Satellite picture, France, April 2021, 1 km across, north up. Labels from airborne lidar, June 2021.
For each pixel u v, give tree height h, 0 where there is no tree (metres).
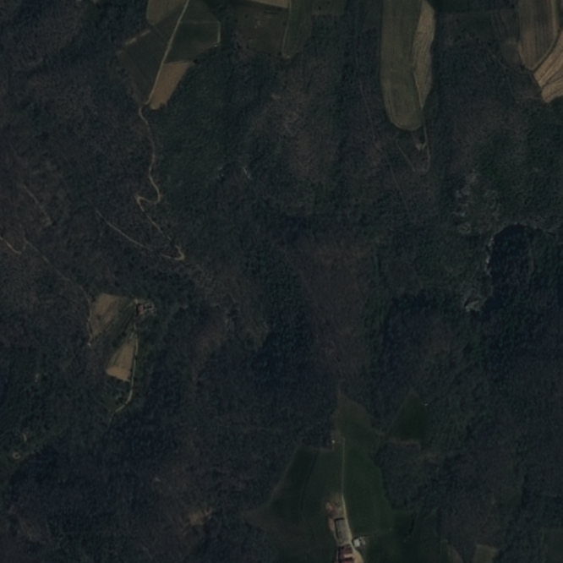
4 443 18
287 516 0
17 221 14
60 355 14
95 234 18
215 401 11
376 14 0
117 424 15
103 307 0
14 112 21
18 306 10
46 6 10
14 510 25
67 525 16
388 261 20
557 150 6
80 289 8
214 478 28
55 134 21
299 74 7
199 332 11
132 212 10
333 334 13
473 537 13
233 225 9
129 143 13
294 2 0
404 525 0
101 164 13
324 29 10
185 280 11
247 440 19
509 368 7
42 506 21
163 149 9
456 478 18
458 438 17
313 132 8
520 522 22
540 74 0
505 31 0
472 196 6
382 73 0
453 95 9
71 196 17
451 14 6
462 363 21
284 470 10
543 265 9
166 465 15
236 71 9
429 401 13
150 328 15
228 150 8
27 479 33
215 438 18
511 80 9
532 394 12
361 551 0
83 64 12
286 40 0
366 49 11
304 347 7
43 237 15
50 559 16
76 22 9
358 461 0
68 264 9
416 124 0
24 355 18
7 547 17
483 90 9
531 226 22
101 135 9
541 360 10
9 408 22
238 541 24
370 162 11
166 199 6
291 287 7
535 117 10
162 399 20
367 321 8
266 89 11
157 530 17
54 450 30
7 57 15
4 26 16
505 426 16
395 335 12
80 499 22
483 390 27
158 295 7
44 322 16
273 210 9
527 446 23
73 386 18
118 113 13
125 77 10
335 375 9
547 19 0
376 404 20
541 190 7
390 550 0
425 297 10
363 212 16
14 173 17
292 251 11
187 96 6
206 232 13
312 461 0
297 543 0
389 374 14
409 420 0
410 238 14
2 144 13
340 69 7
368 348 11
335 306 16
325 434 12
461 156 7
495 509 13
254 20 0
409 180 7
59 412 14
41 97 10
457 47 8
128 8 13
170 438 15
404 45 0
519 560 8
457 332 12
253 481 7
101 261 20
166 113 11
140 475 17
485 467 13
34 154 17
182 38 0
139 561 16
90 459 17
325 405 14
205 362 22
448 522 13
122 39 12
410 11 0
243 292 12
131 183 12
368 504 0
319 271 14
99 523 16
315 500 0
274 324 9
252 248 10
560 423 13
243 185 10
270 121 6
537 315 7
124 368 0
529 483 19
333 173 10
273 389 15
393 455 15
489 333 20
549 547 0
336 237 15
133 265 14
